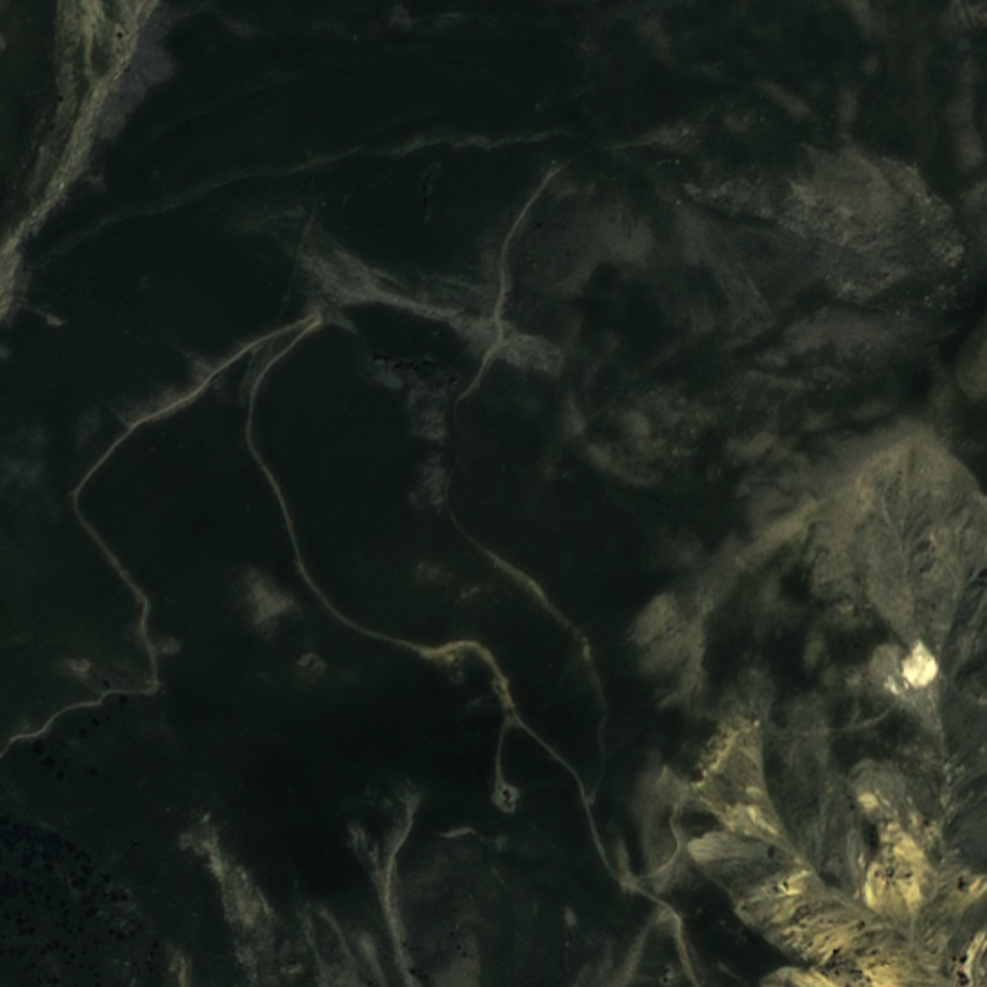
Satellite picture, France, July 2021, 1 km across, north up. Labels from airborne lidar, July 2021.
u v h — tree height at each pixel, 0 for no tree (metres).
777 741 0
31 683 0
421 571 0
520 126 0
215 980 0
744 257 0
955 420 0
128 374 0
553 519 0
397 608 0
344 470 0
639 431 0
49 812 0
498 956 0
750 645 0
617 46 0
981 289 0
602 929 0
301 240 0
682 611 0
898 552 0
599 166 0
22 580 0
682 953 0
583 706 0
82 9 0
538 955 0
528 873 0
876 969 0
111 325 0
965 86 0
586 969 0
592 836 0
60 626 0
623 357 0
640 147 0
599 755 0
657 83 0
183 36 0
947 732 0
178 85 0
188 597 0
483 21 0
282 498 0
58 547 0
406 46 0
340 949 0
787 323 0
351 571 0
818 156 0
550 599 0
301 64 0
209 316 0
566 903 0
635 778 0
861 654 0
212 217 0
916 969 0
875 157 0
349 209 0
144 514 0
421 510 0
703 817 0
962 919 0
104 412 0
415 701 0
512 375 0
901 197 0
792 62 0
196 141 0
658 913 0
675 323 0
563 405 0
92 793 0
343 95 0
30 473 0
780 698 0
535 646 0
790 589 0
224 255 0
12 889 14
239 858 0
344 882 0
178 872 0
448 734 0
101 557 0
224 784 0
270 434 0
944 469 0
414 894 0
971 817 0
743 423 0
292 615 0
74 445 0
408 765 0
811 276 0
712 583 0
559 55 0
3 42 0
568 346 0
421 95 0
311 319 0
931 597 0
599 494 0
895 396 0
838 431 0
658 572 0
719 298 0
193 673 0
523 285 0
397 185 0
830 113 0
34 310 0
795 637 0
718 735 0
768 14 0
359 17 0
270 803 0
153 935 0
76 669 0
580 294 0
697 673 0
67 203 0
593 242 0
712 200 0
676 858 0
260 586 0
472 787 0
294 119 0
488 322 0
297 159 0
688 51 0
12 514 0
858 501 0
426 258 0
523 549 0
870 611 0
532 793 0
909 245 0
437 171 0
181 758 0
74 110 0
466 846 0
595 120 0
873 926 0
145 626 0
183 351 0
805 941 0
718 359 0
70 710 0
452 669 0
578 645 0
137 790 0
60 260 0
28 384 0
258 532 0
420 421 0
